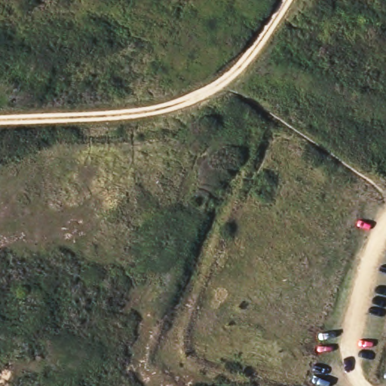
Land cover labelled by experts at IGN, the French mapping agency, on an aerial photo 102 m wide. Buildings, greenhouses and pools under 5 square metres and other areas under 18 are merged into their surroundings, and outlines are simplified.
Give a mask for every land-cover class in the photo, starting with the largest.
<instances>
[{"label":"herbaceous vegetation","instance_id":"1","mask_svg":"<svg viewBox=\"0 0 386 386\"><path fill-rule=\"evenodd\" d=\"M282 5V0H0V116L134 109L176 100L179 96L213 83L220 75L225 74L246 53L247 48L252 47L259 33L264 30L265 24ZM234 93L261 104L271 118L294 130L291 136L280 133L279 130L271 133L264 158L258 170H255V175L270 169L279 176L274 202L261 201L258 195L247 196L246 202L238 201L246 170L241 169L240 173L232 178L228 204L223 205L222 214L214 220L210 237L205 241L204 249L199 256L198 268L191 276V294L188 299L184 297L176 305L173 327L166 333L161 330V314L166 311L167 303L175 293V280L184 273L185 258L198 238L202 222L207 219V213L198 210L196 191L199 188L210 190L205 185V176L213 172L214 166L219 163V149L228 146L223 139L211 140L210 145L196 142L198 134H208L207 127L199 125V115H208L222 106H228ZM75 124L83 131L84 145L56 143L51 148L39 149L36 154L21 158L20 163L0 167V246L15 250L21 258L36 256L41 252L50 262L59 252V247L66 246L74 250L75 255L84 253L89 261L98 264L116 262L124 265L125 273L133 280V289L130 291V302L127 306L137 309L142 315L139 339L130 350L131 362L127 365V371L137 372L146 386H193L195 383L213 384V378L217 375H225L229 380L241 383L249 381L247 375L228 371L225 363L220 360L222 357L252 366L258 377L259 386H302L311 363L329 365L333 357L339 353V348L335 351L327 347L324 353H318L317 347H323L324 341L318 339V335L329 326L330 317L335 314L342 315L339 312V302L342 291L351 288L357 271L356 255L366 246L369 238L368 232L357 228L356 223L360 220L365 223L366 219L375 222L381 208L384 207V196L380 191L374 185L368 184L365 179L359 178L356 184H348L345 176L326 175L320 167L312 164V161L303 160L302 154L305 152L306 143L311 142L323 146L329 154L341 161H351L365 173L371 172L372 167L377 164V175L386 178V0H293L279 26L255 60L250 62L244 72L235 77L228 86L214 95L184 109L173 110L163 115L124 121ZM15 350L12 353L5 351L0 356V386H9L11 375L17 377L30 374L32 371L41 372V357L30 359L29 345L21 338L14 339Z\"/></svg>","mask_w":386,"mask_h":386},{"label":"brushwood","instance_id":"2","mask_svg":"<svg viewBox=\"0 0 386 386\"><path fill-rule=\"evenodd\" d=\"M199 125L207 127L208 134H198L196 142L210 145L211 140L223 139L228 146L219 149V163L214 166L213 172L205 176V185L210 190L199 188L196 191L198 210L207 213V219L202 222L198 238L185 258L184 273L175 280V293L167 303L166 311L161 314V330L166 333L173 327L176 305L184 297L188 299L191 294V276L198 268L199 256L204 249L205 241L210 237L214 220L222 214L223 205L228 204L232 178L240 173L241 169L246 170L238 201L246 202L247 196L258 195L261 201L274 202L279 176L270 169L255 175V170H258L264 158L271 133L279 130L280 133L291 136L294 130L271 118L261 104L234 93L228 106H222L208 115H199ZM56 143L84 145L83 131L75 124H0V167L20 163L21 158L36 154L39 149L51 148ZM303 160L312 161V164L320 167L326 175L345 176L348 184H356L359 178L341 164V161L329 154L323 146L311 142L306 143L305 152L302 154ZM133 289V280L125 273L124 265L116 262L98 264L89 261L84 253L75 255L74 250L66 246L59 247V252L50 262L41 252L36 256L21 258L15 250L0 246V356L5 351L12 353L15 350L14 339L21 338L29 345L30 359L41 357V372L32 371L30 374L17 377L11 375L9 386H146L137 372L127 371V365L131 362L130 350L139 339L142 315L137 309L127 306L130 302V291ZM220 360L225 363L228 371L247 375L249 381L241 383L229 380L225 375H217L213 378V384L195 383L193 386H259L258 377L252 366L222 357Z\"/></svg>","mask_w":386,"mask_h":386},{"label":"pervious surface","instance_id":"3","mask_svg":"<svg viewBox=\"0 0 386 386\"><path fill-rule=\"evenodd\" d=\"M293 0H282V5L265 24L264 30L259 33L252 47L247 48L246 53L225 74L220 75L213 83L179 96L176 100L134 109L0 116V124H75L124 121L163 115L173 110L184 109L214 95L228 86L235 77L244 72L250 62L255 60L279 26ZM341 164L359 178L365 179L368 184L374 185L380 191L384 196V207L381 208L375 222L366 219L365 223L360 220L356 223L357 228L368 232L369 238L366 246L356 255L357 271L351 288L342 335L339 336V353L333 357L329 365L333 377L338 378L333 386H386V178L377 175V164L372 167L371 172L365 173L351 161H341Z\"/></svg>","mask_w":386,"mask_h":386},{"label":"deciduous trees","instance_id":"4","mask_svg":"<svg viewBox=\"0 0 386 386\"><path fill-rule=\"evenodd\" d=\"M351 288L342 291L339 302V312L342 315L335 314L330 317L329 326L318 335V339L324 341L323 347H317L318 353H324L327 347L335 351L339 348V336L342 335ZM302 386H333L338 378L333 377L329 365L311 363Z\"/></svg>","mask_w":386,"mask_h":386}]
</instances>
